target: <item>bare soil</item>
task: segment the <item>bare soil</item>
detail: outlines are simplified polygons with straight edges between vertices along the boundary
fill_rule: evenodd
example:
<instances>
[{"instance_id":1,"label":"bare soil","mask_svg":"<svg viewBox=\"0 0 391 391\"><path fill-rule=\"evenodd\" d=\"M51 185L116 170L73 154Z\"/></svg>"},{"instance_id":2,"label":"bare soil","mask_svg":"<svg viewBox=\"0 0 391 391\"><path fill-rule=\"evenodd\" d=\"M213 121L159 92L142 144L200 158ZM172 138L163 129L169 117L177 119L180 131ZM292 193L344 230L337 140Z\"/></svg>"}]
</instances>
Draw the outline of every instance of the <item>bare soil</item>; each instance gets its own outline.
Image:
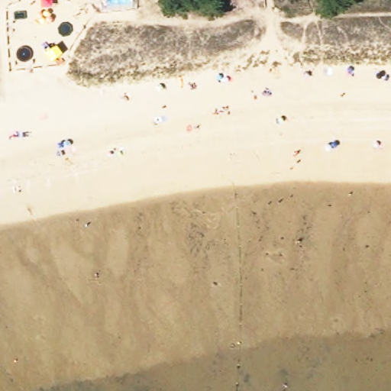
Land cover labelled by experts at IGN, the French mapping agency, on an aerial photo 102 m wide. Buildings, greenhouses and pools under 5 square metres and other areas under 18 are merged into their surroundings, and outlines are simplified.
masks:
<instances>
[{"instance_id":1,"label":"bare soil","mask_svg":"<svg viewBox=\"0 0 391 391\"><path fill-rule=\"evenodd\" d=\"M0 0L0 391L391 391L391 0L356 0L347 12L325 18L316 15L319 3L316 0L232 0L231 5L234 9L231 12L209 20L195 12L188 12L188 18L177 15L166 17L157 0Z\"/></svg>"}]
</instances>

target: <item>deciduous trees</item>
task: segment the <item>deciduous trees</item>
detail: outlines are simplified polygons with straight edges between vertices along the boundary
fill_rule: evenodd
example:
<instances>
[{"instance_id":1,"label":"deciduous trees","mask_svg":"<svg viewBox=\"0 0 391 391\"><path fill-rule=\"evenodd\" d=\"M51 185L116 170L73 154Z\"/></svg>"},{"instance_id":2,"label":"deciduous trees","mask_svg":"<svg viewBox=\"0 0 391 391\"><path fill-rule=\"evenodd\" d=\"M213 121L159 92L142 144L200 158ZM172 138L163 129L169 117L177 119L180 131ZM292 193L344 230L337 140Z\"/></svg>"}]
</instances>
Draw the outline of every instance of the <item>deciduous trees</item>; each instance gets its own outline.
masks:
<instances>
[{"instance_id":1,"label":"deciduous trees","mask_svg":"<svg viewBox=\"0 0 391 391\"><path fill-rule=\"evenodd\" d=\"M316 0L319 3L316 15L325 18L347 12L356 0Z\"/></svg>"},{"instance_id":2,"label":"deciduous trees","mask_svg":"<svg viewBox=\"0 0 391 391\"><path fill-rule=\"evenodd\" d=\"M188 12L195 12L209 20L231 12L234 9L231 5L232 0L157 0L166 17L177 15L188 18Z\"/></svg>"}]
</instances>

